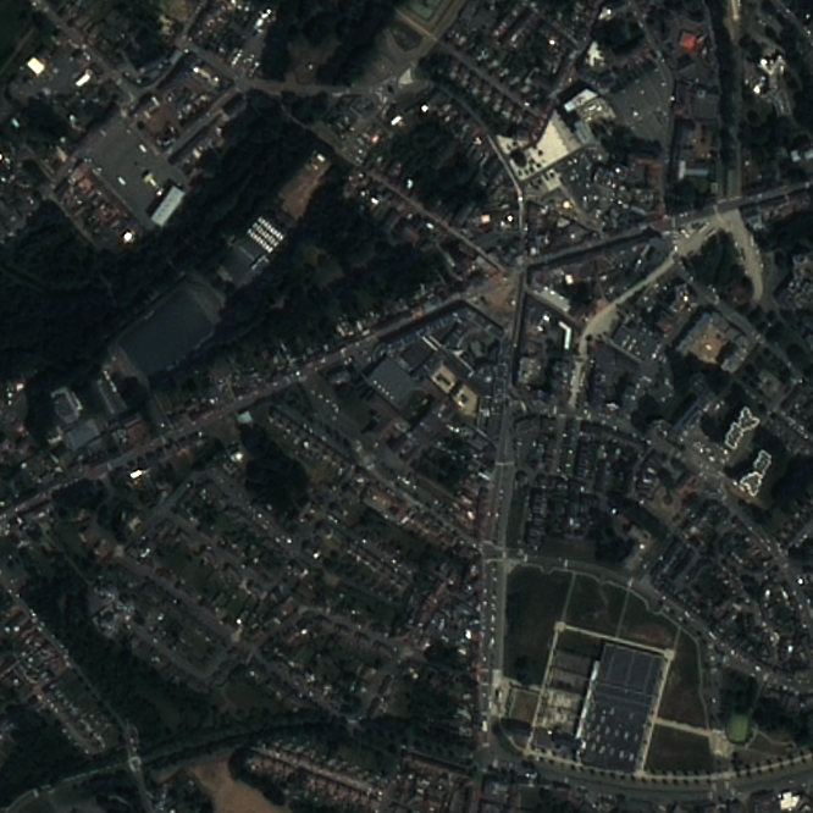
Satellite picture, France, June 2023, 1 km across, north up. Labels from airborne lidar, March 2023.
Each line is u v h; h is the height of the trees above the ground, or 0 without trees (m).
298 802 6
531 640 0
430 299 0
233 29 6
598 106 0
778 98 0
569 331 0
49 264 9
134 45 16
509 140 0
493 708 0
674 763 0
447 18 0
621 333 0
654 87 0
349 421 0
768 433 19
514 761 0
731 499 0
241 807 0
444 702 8
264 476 19
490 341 0
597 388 0
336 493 0
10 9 0
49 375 17
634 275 10
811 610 0
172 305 0
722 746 0
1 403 0
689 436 0
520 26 0
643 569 0
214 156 19
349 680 7
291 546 0
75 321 30
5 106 0
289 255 22
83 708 0
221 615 0
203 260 17
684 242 0
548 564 0
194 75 0
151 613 0
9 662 0
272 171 18
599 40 11
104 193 0
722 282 10
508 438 0
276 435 0
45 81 0
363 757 0
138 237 6
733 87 14
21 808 0
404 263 14
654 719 0
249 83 0
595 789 0
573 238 0
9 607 0
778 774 0
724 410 0
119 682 7
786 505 7
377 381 0
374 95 0
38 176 9
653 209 0
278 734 6
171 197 0
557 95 0
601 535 13
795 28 13
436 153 9
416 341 0
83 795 0
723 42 23
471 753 0
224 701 0
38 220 15
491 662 0
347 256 10
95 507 11
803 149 0
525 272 0
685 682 0
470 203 0
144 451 0
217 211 19
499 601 0
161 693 0
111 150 0
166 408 0
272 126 13
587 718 0
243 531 6
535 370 0
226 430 0
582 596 0
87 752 0
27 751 6
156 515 0
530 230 0
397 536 0
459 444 17
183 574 0
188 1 9
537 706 0
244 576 0
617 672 0
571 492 10
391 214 0
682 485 0
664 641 0
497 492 0
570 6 14
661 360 0
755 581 14
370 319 0
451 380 0
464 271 0
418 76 0
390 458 0
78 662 7
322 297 30
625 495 23
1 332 18
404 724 14
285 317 18
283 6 7
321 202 17
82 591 7
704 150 0
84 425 0
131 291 10
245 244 0
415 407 0
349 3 18
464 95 10
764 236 9
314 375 0
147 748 6
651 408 13
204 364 8
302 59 0
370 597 0
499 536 0
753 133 7
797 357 19
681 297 0
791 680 0
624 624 0
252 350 0
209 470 0
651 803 0
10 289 9
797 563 0
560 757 0
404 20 0
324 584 7
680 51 0
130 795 16
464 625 0
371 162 0
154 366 0
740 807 0
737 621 9
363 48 17
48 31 0
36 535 16
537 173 0
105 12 0
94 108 8
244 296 12
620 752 0
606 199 0
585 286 18
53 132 15
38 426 17
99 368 12
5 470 9
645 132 0
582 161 0
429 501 0
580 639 0
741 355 0
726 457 0
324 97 12
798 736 8
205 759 0
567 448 7
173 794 13
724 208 0
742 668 0
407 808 0
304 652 0
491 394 0
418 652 0
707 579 0
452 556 9
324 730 14
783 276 0
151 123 0
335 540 0
